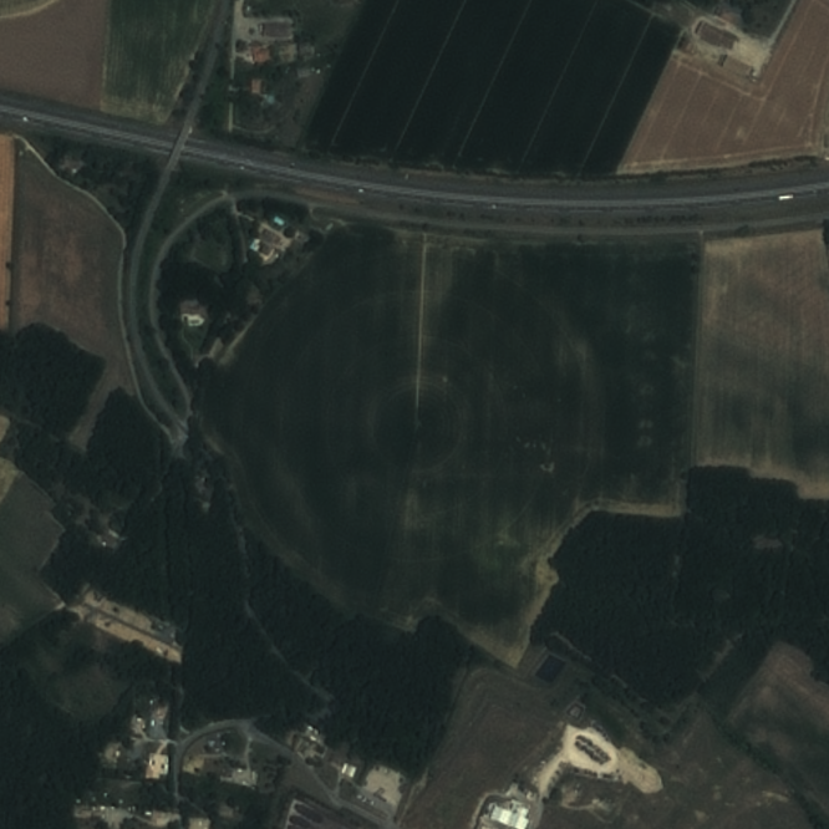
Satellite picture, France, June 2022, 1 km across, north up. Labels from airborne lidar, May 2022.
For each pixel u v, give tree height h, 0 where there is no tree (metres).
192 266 16
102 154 14
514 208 0
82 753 11
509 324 0
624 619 12
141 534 11
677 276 0
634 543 14
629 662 14
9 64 0
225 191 0
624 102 0
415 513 0
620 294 0
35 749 15
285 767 8
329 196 0
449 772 0
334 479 0
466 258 0
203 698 15
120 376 0
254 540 11
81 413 15
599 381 0
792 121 0
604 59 0
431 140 0
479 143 0
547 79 0
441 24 0
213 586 17
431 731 9
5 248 0
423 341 0
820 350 0
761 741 0
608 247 0
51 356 18
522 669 0
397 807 0
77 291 0
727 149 0
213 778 9
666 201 0
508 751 0
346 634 20
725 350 0
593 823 0
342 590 0
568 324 0
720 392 0
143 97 0
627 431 0
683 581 10
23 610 0
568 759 0
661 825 0
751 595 9
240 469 0
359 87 0
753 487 18
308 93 0
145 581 9
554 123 0
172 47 0
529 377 0
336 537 0
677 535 13
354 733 12
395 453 0
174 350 12
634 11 0
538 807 0
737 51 0
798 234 0
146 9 0
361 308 0
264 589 21
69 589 12
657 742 15
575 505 0
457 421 0
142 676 6
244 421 0
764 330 0
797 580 9
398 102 0
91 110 0
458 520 0
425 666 18
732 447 0
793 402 0
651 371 0
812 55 0
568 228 0
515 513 0
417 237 0
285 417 0
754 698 0
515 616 0
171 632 0
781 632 17
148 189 10
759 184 0
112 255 0
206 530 14
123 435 17
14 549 0
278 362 0
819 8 0
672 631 12
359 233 0
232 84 10
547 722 0
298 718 15
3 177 0
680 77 0
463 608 0
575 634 15
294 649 18
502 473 0
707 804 0
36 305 0
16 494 0
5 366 17
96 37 0
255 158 0
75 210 0
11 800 12
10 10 0
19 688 14
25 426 10
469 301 0
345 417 0
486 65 0
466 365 0
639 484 0
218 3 0
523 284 0
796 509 14
